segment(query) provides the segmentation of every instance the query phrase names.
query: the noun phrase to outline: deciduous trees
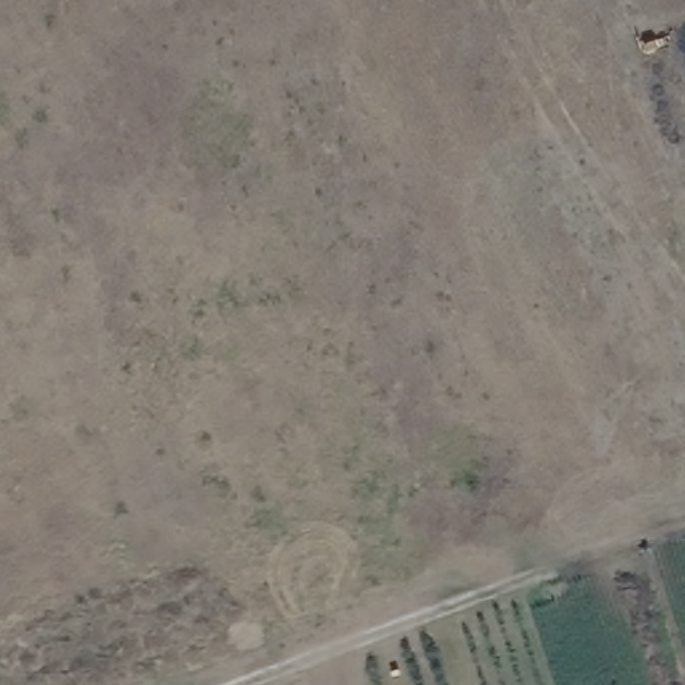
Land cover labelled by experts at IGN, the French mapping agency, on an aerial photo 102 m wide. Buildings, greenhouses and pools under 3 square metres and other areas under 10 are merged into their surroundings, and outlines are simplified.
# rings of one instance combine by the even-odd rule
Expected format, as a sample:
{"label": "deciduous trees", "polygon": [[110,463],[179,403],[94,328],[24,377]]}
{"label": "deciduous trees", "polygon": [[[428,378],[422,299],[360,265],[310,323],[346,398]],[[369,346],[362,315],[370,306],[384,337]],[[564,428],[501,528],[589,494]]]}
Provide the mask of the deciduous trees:
{"label": "deciduous trees", "polygon": [[407,631],[399,640],[412,685],[450,685],[439,658],[439,645],[423,629]]}

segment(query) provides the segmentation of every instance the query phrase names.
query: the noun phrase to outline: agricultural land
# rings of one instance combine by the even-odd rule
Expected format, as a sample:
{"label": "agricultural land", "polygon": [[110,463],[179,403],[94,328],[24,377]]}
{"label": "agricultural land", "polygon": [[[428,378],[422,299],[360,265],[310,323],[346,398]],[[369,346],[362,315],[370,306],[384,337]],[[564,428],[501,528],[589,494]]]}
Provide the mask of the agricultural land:
{"label": "agricultural land", "polygon": [[292,680],[278,680],[270,685],[353,685],[348,680],[345,664],[337,658],[305,669]]}
{"label": "agricultural land", "polygon": [[567,562],[554,575],[532,589],[514,594],[500,589],[484,591],[476,597],[476,607],[476,621],[484,645],[476,645],[474,634],[466,634],[466,648],[471,653],[479,685],[685,685],[685,530],[669,535],[666,543],[642,541],[631,546],[602,549],[594,554],[586,551],[581,554],[581,559]]}

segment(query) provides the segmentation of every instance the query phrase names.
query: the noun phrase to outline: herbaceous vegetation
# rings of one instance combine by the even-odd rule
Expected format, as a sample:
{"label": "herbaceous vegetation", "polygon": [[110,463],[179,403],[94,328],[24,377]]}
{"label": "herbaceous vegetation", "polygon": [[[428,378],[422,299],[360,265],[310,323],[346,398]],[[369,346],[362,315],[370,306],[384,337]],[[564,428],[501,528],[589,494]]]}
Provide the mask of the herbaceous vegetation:
{"label": "herbaceous vegetation", "polygon": [[685,0],[0,0],[0,685],[217,685],[235,674],[246,674],[252,669],[276,664],[308,645],[318,645],[351,634],[356,629],[375,626],[409,610],[433,605],[439,599],[450,599],[476,586],[492,583],[511,573],[551,570],[554,575],[567,562],[581,559],[581,554],[586,551],[594,554],[602,549],[631,546],[642,541],[640,532],[645,524],[685,514]]}
{"label": "herbaceous vegetation", "polygon": [[476,621],[476,607],[428,621],[423,629],[439,645],[439,658],[450,685],[479,685],[471,653],[466,648],[466,634],[474,634],[476,645],[484,645]]}
{"label": "herbaceous vegetation", "polygon": [[351,650],[337,658],[345,664],[348,680],[353,685],[412,685],[399,640],[388,637],[372,645],[369,653]]}

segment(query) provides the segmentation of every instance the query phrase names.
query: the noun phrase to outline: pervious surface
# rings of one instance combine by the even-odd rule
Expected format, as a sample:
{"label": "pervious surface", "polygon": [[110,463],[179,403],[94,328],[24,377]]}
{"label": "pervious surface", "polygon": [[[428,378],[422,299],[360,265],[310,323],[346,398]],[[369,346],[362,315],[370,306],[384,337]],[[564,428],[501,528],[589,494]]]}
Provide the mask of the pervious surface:
{"label": "pervious surface", "polygon": [[642,541],[666,543],[669,535],[685,530],[685,514],[645,524],[640,532]]}
{"label": "pervious surface", "polygon": [[337,658],[351,650],[369,653],[372,645],[388,637],[399,640],[407,631],[423,629],[428,621],[476,607],[476,597],[484,591],[500,589],[514,594],[532,589],[554,575],[551,570],[511,573],[492,583],[476,586],[450,599],[439,599],[433,605],[409,610],[375,626],[356,629],[351,634],[318,645],[308,645],[276,664],[252,669],[246,674],[235,674],[217,685],[270,685],[278,680],[292,680],[305,669]]}

